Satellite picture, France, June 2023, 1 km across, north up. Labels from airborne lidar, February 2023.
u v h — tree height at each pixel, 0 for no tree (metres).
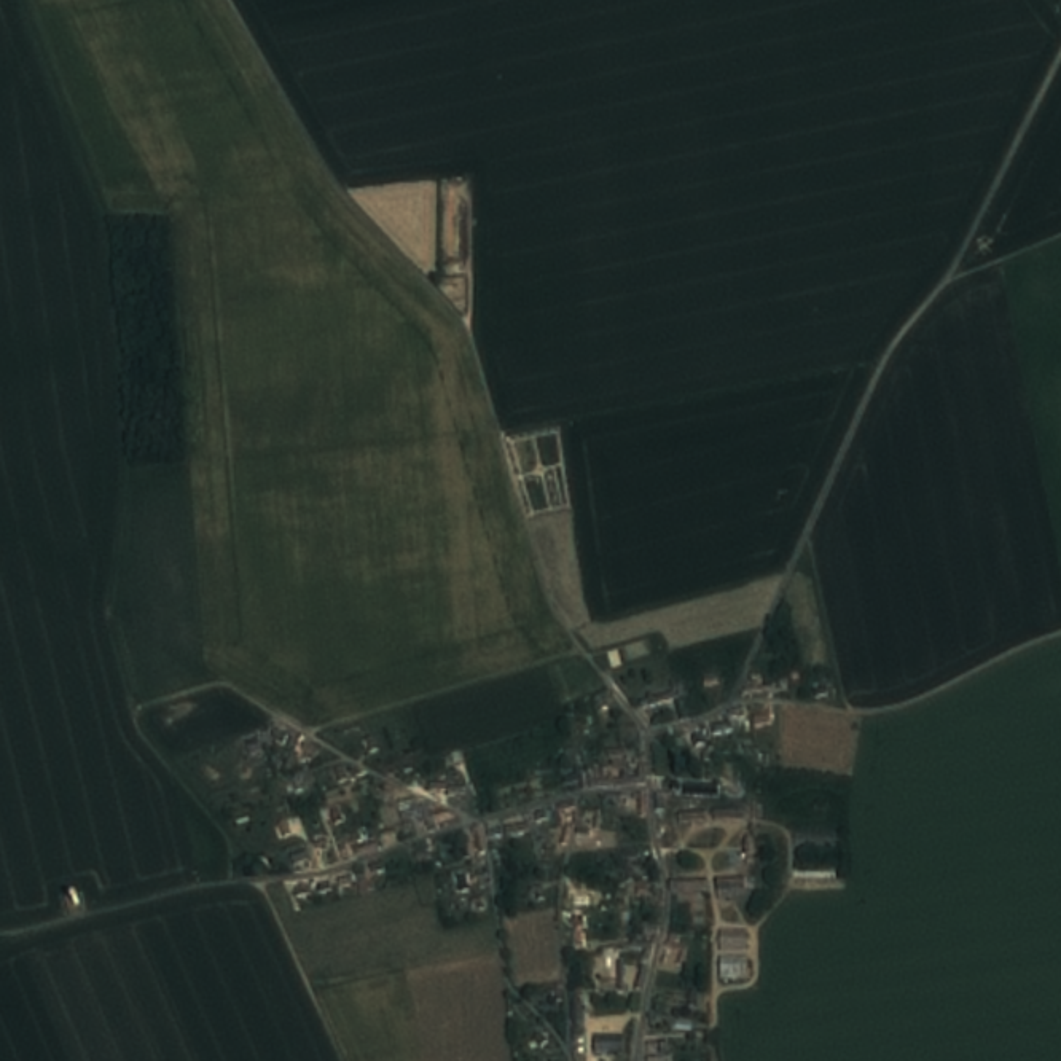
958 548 0
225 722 0
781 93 0
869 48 0
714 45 0
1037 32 0
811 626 0
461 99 0
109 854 0
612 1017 0
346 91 0
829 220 0
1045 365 0
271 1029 0
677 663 0
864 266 0
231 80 0
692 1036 10
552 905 0
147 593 0
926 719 0
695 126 0
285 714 0
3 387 0
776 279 0
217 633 0
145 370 21
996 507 0
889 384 0
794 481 0
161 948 0
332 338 0
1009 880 0
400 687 0
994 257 0
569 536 0
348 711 0
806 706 0
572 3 0
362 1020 0
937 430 0
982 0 0
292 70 0
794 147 0
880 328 0
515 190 0
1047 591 0
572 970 7
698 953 0
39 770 0
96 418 0
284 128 0
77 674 0
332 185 0
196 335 0
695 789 0
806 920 0
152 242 15
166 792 0
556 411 0
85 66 0
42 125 0
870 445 0
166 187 0
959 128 0
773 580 0
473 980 0
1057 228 0
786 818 0
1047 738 0
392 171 0
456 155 0
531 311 0
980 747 0
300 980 0
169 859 0
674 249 0
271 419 0
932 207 0
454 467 0
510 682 0
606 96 0
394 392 0
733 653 0
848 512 0
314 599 0
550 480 0
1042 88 0
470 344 0
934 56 0
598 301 0
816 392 0
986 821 0
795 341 0
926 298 0
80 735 0
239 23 0
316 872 0
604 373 0
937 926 0
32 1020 0
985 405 0
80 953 0
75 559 0
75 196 0
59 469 0
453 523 0
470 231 0
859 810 0
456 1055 0
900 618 0
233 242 0
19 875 0
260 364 0
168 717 0
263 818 0
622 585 0
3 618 0
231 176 0
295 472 0
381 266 0
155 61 0
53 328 0
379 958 0
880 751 0
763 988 0
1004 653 0
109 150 0
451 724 0
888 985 0
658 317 0
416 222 0
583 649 0
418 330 0
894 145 0
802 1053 0
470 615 0
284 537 0
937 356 0
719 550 0
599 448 0
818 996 0
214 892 0
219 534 0
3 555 0
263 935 0
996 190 0
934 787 0
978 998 0
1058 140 0
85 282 0
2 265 0
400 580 0
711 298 0
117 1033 0
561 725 11
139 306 11
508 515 0
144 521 0
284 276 0
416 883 0
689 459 0
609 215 0
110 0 0
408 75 0
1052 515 0
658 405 0
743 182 0
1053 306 0
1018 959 0
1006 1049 0
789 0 0
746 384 0
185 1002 0
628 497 0
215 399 0
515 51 0
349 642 0
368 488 0
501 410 0
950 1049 0
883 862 0
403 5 0
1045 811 0
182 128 0
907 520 0
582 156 0
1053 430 0
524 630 0
